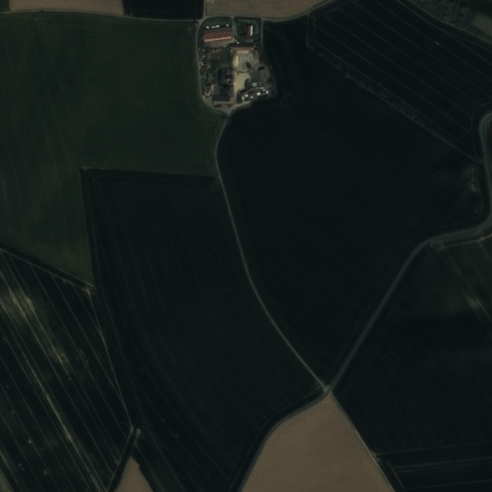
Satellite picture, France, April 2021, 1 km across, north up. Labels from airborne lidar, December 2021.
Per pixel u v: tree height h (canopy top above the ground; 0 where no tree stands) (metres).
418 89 0
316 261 0
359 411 0
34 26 0
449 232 0
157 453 0
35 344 0
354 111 0
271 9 0
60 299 0
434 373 0
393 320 0
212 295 0
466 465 0
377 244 0
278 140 0
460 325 0
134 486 0
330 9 0
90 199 0
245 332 0
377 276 0
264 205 0
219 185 0
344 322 0
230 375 0
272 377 0
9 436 0
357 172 0
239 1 0
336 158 0
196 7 0
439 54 0
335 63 7
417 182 0
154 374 0
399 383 0
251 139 0
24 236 0
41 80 0
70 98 0
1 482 0
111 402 0
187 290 0
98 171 0
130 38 0
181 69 0
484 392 0
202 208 0
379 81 0
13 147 0
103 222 0
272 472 0
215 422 0
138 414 0
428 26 0
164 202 0
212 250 0
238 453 0
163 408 0
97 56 0
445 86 0
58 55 0
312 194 0
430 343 0
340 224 0
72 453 0
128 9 0
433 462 0
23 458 0
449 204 0
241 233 0
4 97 0
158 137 0
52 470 0
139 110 0
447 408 0
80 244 0
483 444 0
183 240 0
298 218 0
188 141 0
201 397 0
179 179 0
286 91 0
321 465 0
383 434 0
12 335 0
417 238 0
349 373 0
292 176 0
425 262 0
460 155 0
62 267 0
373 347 0
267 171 0
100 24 0
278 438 0
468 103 0
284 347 0
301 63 0
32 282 0
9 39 0
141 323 0
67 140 0
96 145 0
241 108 0
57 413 0
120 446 0
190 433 0
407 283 0
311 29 0
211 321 0
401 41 0
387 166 0
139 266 0
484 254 0
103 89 0
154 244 0
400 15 0
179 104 0
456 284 0
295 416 0
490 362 0
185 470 0
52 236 0
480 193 0
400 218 0
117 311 0
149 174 0
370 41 0
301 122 0
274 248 0
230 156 0
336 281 0
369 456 0
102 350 0
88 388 0
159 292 0
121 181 0
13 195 0
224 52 0
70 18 0
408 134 0
